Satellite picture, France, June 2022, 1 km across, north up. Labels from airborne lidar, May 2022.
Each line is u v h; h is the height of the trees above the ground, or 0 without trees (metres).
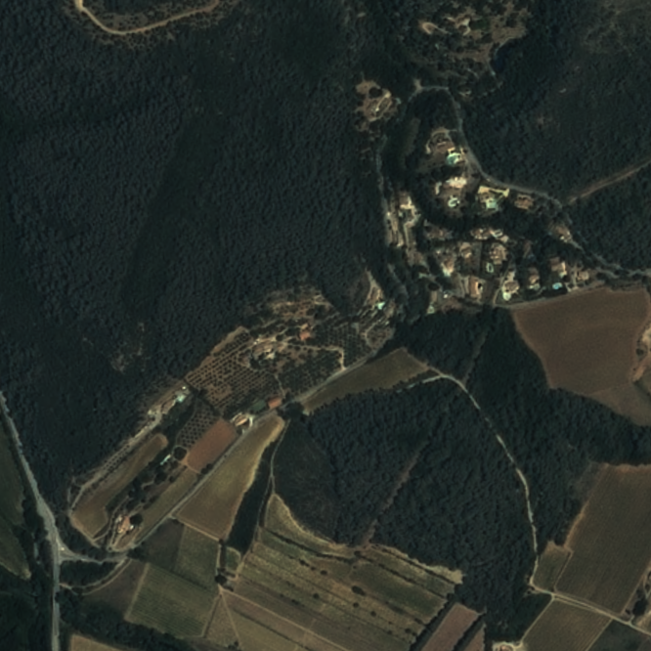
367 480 21
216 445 0
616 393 0
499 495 23
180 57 7
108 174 21
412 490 15
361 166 18
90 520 0
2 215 6
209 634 0
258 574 0
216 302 18
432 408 15
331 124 17
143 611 0
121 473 0
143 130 21
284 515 0
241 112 9
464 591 16
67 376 10
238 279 18
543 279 12
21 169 10
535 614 9
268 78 15
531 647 0
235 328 9
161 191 6
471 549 7
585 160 8
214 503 0
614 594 0
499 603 6
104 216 17
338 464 21
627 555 0
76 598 8
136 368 5
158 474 8
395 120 11
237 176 18
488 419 22
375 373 0
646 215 10
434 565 20
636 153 11
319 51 9
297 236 15
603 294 0
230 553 0
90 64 17
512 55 19
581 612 0
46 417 9
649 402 0
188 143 8
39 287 17
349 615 0
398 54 16
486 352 9
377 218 9
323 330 10
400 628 0
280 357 8
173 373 20
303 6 11
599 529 0
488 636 11
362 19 11
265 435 0
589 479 0
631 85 20
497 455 21
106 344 6
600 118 7
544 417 7
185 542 0
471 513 22
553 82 9
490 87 14
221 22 6
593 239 15
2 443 0
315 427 21
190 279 11
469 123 7
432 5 22
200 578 0
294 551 0
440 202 21
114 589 0
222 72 6
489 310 11
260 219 8
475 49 10
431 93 13
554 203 16
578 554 0
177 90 17
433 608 0
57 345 9
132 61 8
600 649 0
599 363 0
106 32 6
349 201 25
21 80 19
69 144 25
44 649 10
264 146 18
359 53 8
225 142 17
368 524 22
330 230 24
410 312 20
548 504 21
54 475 13
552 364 0
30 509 14
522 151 17
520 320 0
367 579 0
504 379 8
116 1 14
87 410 9
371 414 23
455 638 0
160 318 18
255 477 0
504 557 11
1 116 11
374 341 8
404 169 16
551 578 0
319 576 0
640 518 0
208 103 7
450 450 16
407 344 8
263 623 0
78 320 17
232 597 0
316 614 0
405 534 21
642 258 17
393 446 20
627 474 0
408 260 7
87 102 9
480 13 12
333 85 23
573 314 0
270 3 15
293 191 16
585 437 14
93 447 8
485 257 9
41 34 7
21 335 8
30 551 7
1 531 0
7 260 9
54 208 11
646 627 0
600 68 16
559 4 15
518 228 22
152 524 0
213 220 9
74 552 19
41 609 10
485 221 13
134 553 12
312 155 22
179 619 0
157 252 6
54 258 21
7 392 15
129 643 6
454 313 13
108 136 22
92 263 16
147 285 8
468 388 7
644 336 0
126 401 16
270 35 18
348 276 20
